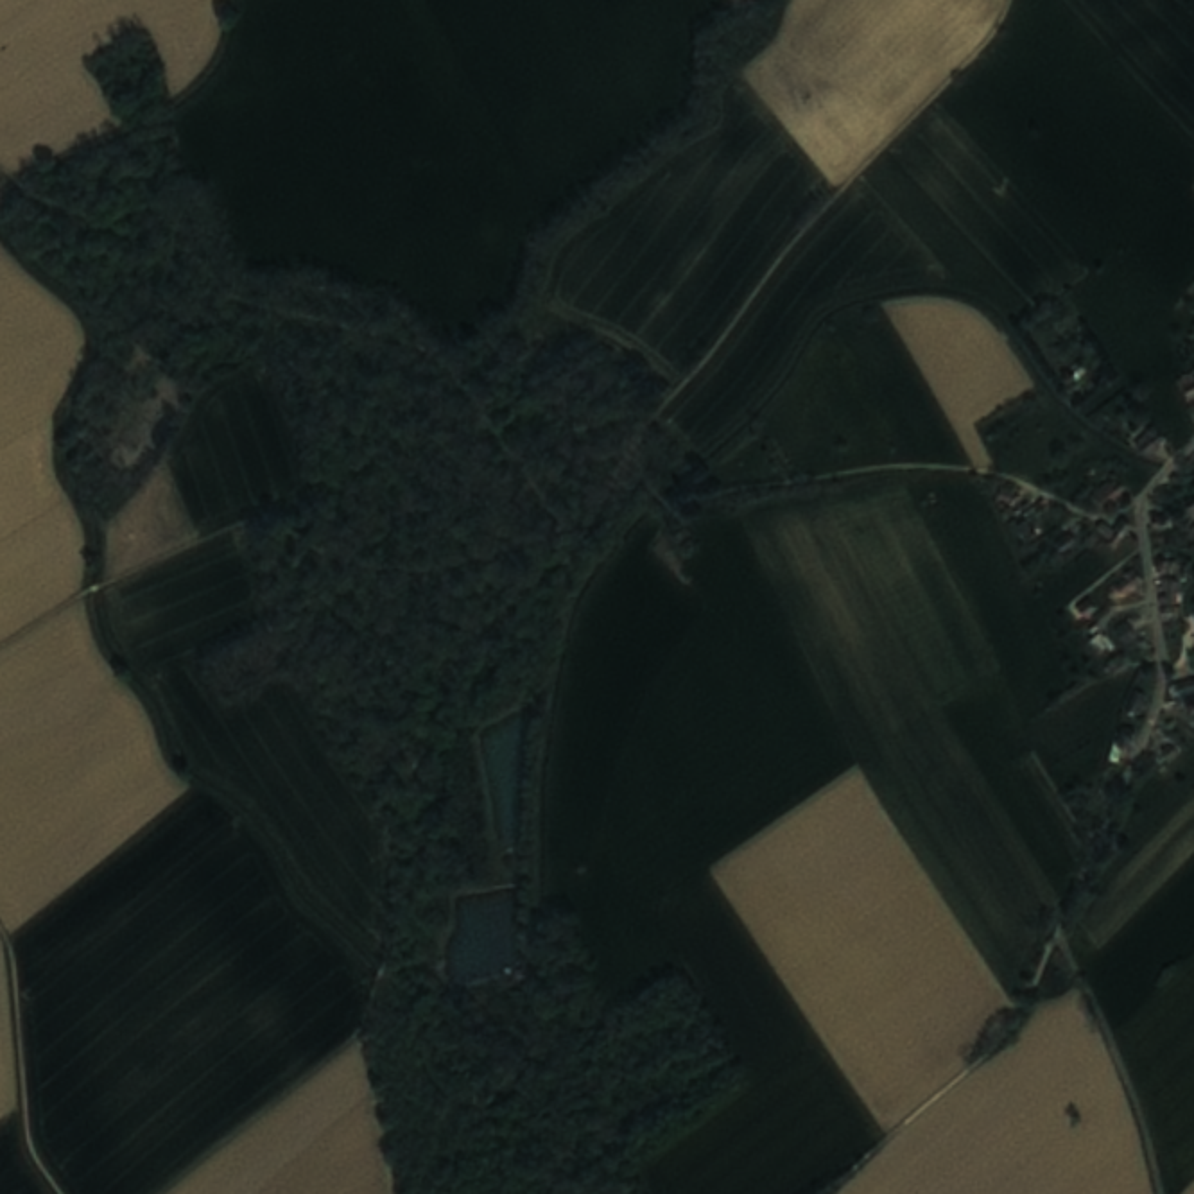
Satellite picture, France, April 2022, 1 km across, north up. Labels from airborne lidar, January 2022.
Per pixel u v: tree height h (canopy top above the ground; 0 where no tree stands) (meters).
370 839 0
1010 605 0
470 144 0
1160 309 0
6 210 15
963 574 0
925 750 0
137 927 0
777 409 0
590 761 0
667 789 0
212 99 0
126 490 20
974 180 0
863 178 0
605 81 0
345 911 0
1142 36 0
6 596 0
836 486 8
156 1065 0
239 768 0
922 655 0
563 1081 24
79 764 0
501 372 28
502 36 0
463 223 0
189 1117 0
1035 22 0
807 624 0
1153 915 0
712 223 0
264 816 0
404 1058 16
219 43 0
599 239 0
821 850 0
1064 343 8
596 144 0
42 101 0
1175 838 0
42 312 0
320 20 0
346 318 29
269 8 0
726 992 0
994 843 0
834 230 0
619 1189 23
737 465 0
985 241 0
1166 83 0
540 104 0
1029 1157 0
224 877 0
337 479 20
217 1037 0
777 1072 0
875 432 0
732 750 0
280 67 0
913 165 0
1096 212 0
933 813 0
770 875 0
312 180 0
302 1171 0
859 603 0
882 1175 0
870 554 0
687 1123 21
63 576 0
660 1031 21
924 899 0
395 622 31
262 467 0
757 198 0
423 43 0
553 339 0
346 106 0
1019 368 0
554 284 0
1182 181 0
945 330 0
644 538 0
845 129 0
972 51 0
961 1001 0
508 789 0
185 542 0
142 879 0
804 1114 0
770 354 0
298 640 24
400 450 26
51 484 0
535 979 23
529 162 0
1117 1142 0
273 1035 0
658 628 0
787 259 0
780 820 0
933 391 0
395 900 13
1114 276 0
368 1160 0
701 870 0
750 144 0
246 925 0
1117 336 0
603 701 0
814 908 0
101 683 0
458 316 0
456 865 24
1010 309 0
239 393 0
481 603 35
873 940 0
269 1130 0
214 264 28
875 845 0
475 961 0
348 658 33
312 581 32
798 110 0
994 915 0
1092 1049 0
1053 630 0
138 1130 0
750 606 0
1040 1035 0
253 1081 0
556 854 0
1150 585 0
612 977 0
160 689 0
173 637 0
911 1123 0
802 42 0
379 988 8
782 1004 0
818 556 0
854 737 0
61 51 0
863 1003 0
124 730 0
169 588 0
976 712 0
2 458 0
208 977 0
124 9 0
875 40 0
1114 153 0
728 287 0
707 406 0
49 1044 0
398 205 0
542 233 21
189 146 0
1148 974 0
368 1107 0
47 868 0
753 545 0
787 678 0
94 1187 0
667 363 0
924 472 0
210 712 0
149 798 0
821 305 0
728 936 0
